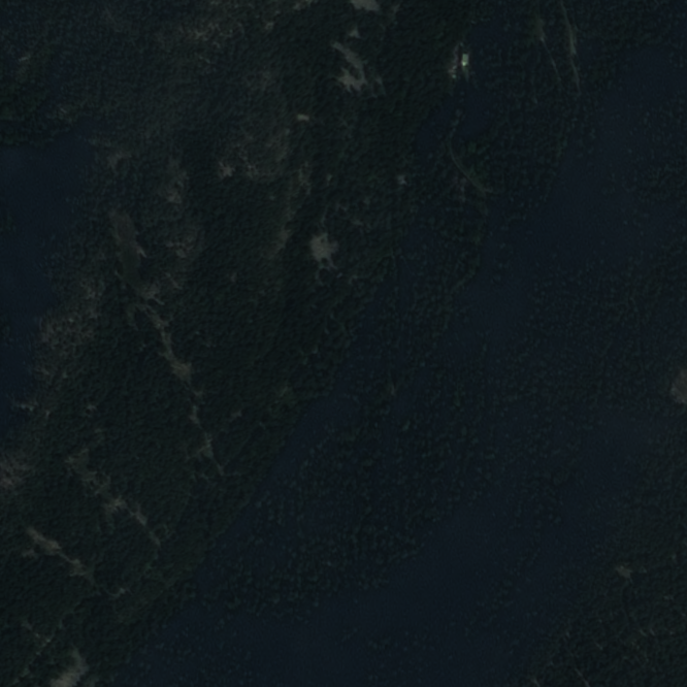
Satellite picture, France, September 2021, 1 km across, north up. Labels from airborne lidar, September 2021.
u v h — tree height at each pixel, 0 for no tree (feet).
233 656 80
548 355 91
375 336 72
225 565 69
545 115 62
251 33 92
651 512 28
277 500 98
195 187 83
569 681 36
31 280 66
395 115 99
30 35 65
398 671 105
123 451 99
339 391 73
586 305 66
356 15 117
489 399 88
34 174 65
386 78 101
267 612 52
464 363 58
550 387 68
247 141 31
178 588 55
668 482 76
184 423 88
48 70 83
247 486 100
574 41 0
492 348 59
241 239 55
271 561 63
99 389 92
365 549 63
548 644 55
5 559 56
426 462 49
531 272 104
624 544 59
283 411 41
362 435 106
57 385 51
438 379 65
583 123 57
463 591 102
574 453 83
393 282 36
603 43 48
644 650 36
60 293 24
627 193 62
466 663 74
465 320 82
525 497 63
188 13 41
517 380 75
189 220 53
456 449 49
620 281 51
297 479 102
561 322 68
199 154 101
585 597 59
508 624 79
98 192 57
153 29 30
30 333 34
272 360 99
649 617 89
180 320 60
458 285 30
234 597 42
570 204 34
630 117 41
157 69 59
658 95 68
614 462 64
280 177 33
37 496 64
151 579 43
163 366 107
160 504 64
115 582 58
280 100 80
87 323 35
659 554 83
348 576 48
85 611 44
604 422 54
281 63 70
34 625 101
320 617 37
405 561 34
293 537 73
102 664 84
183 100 47
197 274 86
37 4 92
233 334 115
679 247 52
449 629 74
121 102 61
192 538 82
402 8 31
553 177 40
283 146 42
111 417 101
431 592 85
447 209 76
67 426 87
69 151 50
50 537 81
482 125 28
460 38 46
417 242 93
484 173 59
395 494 44
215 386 99
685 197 40
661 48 66
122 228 0
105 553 33
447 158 18
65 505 85
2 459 24
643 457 59
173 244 39
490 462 63
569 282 86
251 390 76
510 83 70
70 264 53
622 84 66
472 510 66
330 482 83
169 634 24
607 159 44
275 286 37
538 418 42
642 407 53
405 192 32
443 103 31
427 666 71
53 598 83
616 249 93
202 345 75
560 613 54
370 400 65
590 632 62
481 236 39
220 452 110
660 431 57
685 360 48
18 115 70
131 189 88
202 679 80
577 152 33
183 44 60
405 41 108
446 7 77
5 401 55
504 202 32
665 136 54
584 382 76
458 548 81
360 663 103
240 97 62
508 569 92
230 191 59
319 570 72
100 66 78
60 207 55
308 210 115
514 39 87
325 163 101
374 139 75
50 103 31
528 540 84
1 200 86
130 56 78
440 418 30
